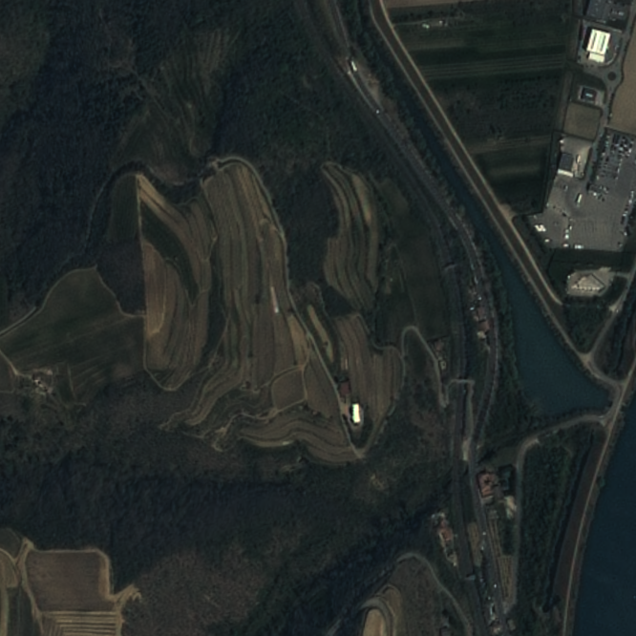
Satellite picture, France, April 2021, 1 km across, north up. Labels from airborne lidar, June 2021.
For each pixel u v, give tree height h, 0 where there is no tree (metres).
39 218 21
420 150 10
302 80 6
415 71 0
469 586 6
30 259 15
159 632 9
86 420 14
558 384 0
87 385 0
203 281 0
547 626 11
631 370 0
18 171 18
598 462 0
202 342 0
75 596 0
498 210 0
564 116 0
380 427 0
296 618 22
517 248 0
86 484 13
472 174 0
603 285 0
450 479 12
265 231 0
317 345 0
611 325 0
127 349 0
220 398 6
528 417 12
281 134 9
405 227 0
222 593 8
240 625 13
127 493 13
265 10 10
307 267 12
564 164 0
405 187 16
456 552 9
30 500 8
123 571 9
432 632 8
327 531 9
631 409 0
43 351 0
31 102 33
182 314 0
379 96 0
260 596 6
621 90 0
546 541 24
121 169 9
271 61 8
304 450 7
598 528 0
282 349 0
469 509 7
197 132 0
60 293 0
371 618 0
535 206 9
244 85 16
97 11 8
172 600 12
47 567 0
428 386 11
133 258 8
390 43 0
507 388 17
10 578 0
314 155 13
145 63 9
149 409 8
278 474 16
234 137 12
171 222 0
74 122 10
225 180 0
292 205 11
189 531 14
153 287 0
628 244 0
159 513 19
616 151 0
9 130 21
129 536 13
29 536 10
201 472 7
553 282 10
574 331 20
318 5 29
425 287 0
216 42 6
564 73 0
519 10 0
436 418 7
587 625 0
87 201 11
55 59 30
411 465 9
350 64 0
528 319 0
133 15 12
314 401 0
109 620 0
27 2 13
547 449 11
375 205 0
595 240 0
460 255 11
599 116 0
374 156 14
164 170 0
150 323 0
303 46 9
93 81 11
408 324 0
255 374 0
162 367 0
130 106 7
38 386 12
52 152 18
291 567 14
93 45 10
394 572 7
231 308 0
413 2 0
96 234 6
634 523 0
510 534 14
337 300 11
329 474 12
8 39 16
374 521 13
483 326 0
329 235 8
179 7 14
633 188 0
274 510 14
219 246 0
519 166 0
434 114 0
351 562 18
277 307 0
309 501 15
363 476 9
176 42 15
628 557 0
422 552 13
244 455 12
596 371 0
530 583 15
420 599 7
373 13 0
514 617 14
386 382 0
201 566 7
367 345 0
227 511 16
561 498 12
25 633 0
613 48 0
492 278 15
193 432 9
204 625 15
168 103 10
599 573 0
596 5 0
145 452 15
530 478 18
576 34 0
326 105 9
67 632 0
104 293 0
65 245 16
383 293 8
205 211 0
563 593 0
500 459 0
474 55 0
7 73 6
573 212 0
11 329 0
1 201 14
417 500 9
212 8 9
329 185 14
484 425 15
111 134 9
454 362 8
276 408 0
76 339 0
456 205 11
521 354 0
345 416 7
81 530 16
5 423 14
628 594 0
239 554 11
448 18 0
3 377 0
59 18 14
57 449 19
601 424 8
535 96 7
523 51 0
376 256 0
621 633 0
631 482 0
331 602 19
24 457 17
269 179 12
